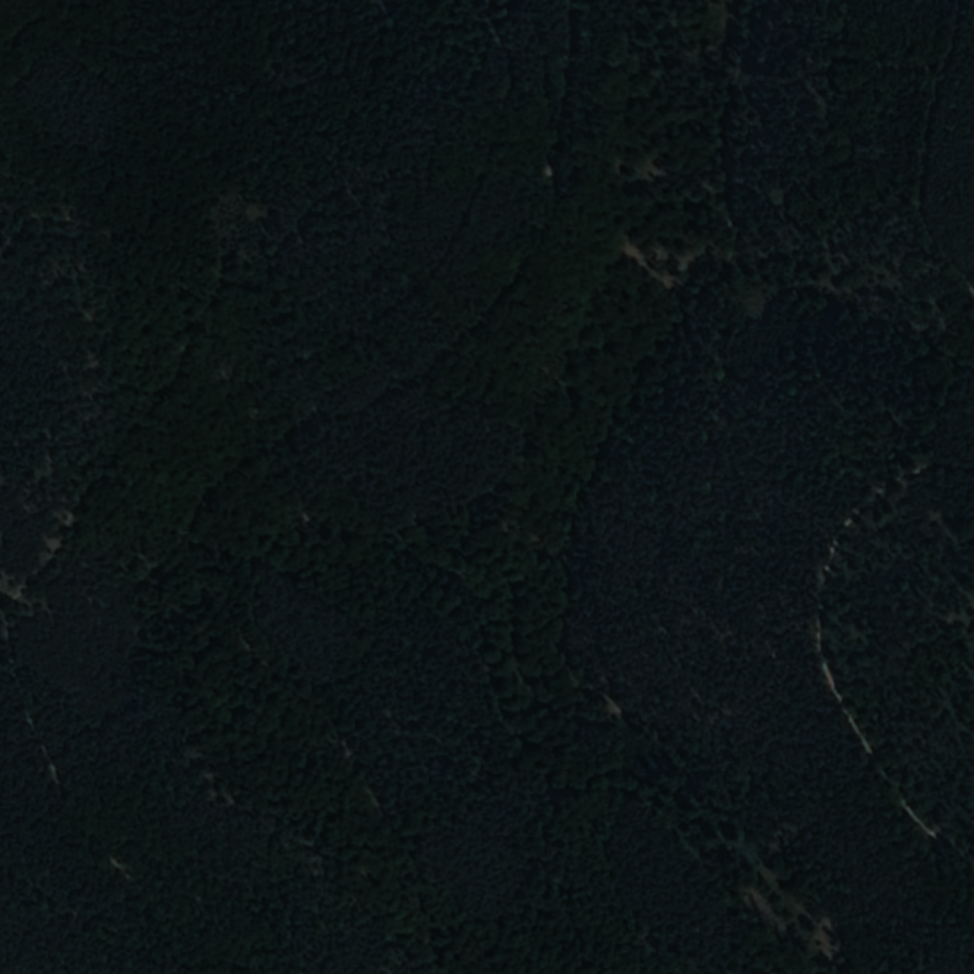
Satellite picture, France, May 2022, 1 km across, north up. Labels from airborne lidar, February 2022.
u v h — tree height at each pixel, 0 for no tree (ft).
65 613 38
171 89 90
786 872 73
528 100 81
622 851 81
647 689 96
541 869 112
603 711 85
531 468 91
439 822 85
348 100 76
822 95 80
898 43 49
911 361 42
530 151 80
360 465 104
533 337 81
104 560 33
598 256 80
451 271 91
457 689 84
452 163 79
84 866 58
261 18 92
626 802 67
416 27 76
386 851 66
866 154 109
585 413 111
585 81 90
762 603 86
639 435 86
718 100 62
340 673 88
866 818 60
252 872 69
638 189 79
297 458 103
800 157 116
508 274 73
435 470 109
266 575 90
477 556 117
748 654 78
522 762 92
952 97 50
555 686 130
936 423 78
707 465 97
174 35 93
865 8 56
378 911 70
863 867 78
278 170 61
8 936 65
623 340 89
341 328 83
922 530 28
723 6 0
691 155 123
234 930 63
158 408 69
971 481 70
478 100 72
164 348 86
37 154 62
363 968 84
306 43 90
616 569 96
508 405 95
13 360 72
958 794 92
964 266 44
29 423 60
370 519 128
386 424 103
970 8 64
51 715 69
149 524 88
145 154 76
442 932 80
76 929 69
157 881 63
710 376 85
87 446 74
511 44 80
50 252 49
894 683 29
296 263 72
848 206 22
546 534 97
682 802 59
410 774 80
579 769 119
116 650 32
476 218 75
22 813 61
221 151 77
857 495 80
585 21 79
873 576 22
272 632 84
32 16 54
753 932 87
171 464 84
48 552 31
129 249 64
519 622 105
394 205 74
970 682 102
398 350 82
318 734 85
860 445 94
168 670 84
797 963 122
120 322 86
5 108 74
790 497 85
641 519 90
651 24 103
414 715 92
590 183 78
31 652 36
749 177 108
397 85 75
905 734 93
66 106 93
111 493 76
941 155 52
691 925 75
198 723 99
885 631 31
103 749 61
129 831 71
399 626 95
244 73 89
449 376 83
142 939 75
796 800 72
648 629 95
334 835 82
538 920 98
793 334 36
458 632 72
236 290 59
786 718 86
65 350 46
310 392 85
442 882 101
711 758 96
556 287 77
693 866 92
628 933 79
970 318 45
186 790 47
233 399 87
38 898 88
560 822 103
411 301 86
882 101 38
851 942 71
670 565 85
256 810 45
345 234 78
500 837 71
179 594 43
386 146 70
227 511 74
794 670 84
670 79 119
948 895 74
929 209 49
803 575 89
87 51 100
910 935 61
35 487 34
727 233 105
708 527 76
